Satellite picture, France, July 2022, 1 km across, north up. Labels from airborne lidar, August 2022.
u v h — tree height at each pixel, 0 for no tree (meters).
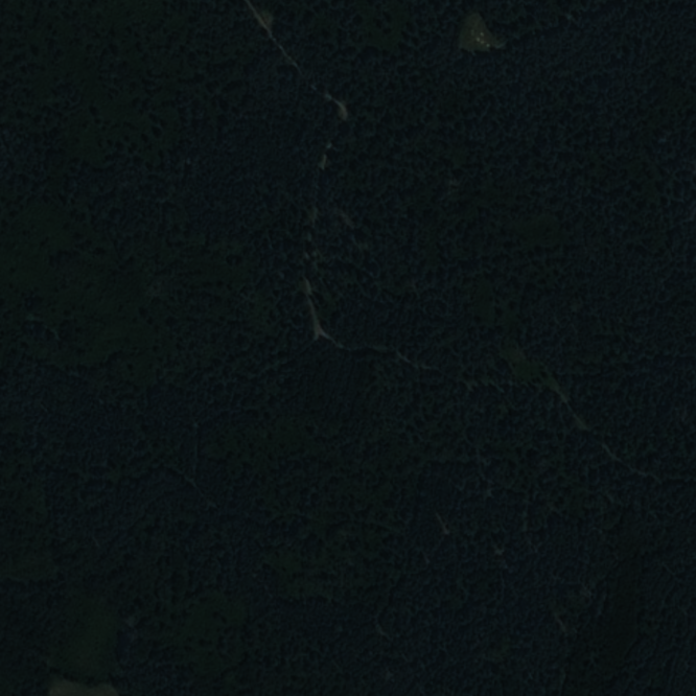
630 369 28
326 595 7
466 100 14
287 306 24
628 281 17
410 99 16
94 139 7
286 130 19
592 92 28
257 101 23
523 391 15
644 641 17
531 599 29
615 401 19
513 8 7
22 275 6
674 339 17
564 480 19
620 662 15
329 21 6
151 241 19
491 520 16
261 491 9
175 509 17
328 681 19
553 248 9
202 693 11
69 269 18
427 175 23
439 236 9
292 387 23
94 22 8
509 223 13
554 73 17
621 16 21
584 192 21
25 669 21
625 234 27
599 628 14
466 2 24
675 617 15
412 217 25
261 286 17
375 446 13
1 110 20
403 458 10
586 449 25
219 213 24
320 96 17
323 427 18
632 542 14
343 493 10
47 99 15
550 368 22
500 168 26
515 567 23
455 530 6
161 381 15
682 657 16
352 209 33
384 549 8
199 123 27
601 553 15
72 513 22
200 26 17
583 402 6
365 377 15
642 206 23
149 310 10
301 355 20
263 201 18
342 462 9
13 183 24
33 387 26
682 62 20
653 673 15
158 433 15
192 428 19
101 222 22
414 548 11
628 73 24
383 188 21
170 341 11
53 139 22
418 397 30
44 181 17
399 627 27
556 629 23
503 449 7
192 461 19
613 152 29
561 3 22
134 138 7
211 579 15
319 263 0
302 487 13
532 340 23
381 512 11
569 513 10
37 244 7
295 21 21
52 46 24
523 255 23
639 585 16
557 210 9
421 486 22
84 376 20
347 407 16
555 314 17
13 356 20
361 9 8
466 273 20
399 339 20
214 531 8
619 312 27
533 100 33
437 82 23
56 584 8
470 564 25
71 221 9
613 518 13
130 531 28
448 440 16
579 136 22
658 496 14
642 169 6
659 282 24
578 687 12
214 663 9
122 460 17
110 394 17
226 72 20
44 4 18
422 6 26
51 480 23
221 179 19
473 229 24
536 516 24
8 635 24
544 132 13
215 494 25
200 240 8
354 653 20
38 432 7
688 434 19
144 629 28
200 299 20
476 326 8
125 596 20
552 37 24
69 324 18
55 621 18
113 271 8
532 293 20
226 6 15
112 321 8
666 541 10
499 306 6
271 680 24
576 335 18
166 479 22
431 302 20
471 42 0
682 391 26
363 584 9
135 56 8
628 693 17
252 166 26
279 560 5
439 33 8
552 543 26
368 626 19
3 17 19
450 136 27
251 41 18
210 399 18
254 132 20
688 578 17
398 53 9
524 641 24
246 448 9
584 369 22
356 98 8
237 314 10
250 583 21
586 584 21
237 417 18
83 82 12
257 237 18
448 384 16
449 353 19
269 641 21
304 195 6
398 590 17
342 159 20
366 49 6
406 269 9
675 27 21
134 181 16
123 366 7
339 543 12
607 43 28
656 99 27
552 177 15
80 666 0
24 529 16
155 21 7
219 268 11
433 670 19
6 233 10
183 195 20
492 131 27
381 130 16
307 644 7
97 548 18
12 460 8
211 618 9
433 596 24
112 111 7
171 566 19
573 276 8
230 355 13
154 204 22
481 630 19
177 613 10
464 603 7
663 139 13
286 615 25
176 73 8
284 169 19
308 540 25
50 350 14
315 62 20
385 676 19
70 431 20
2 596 22
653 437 20
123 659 23
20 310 6
